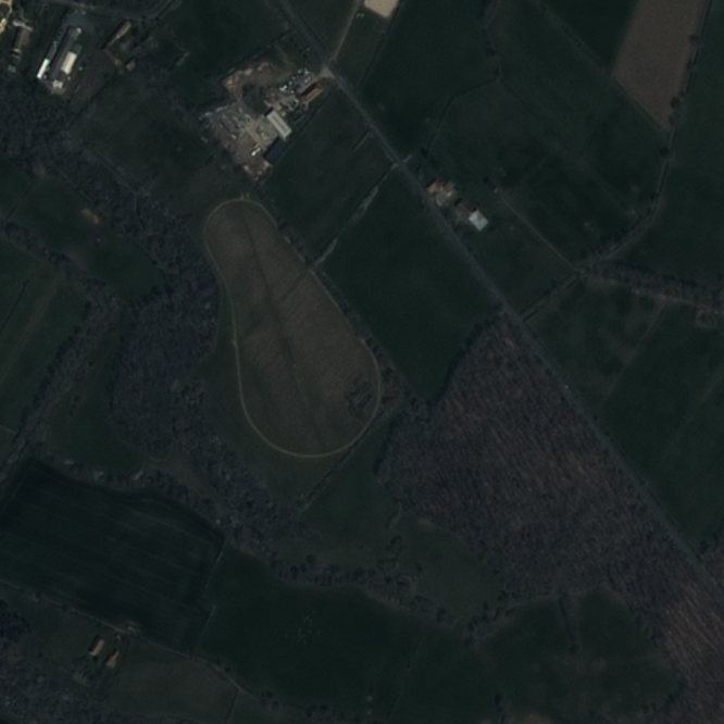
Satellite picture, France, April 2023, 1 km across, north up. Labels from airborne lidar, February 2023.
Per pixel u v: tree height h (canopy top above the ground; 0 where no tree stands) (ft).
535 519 81
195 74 0
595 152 0
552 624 0
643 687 0
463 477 76
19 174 0
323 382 0
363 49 0
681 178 0
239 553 0
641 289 53
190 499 73
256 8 0
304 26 0
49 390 64
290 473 0
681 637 65
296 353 0
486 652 0
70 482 0
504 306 35
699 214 0
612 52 0
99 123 0
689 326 0
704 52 0
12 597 0
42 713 45
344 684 0
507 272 0
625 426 0
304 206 0
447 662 0
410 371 0
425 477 80
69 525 0
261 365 0
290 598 0
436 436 69
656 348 0
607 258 54
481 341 64
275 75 0
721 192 0
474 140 0
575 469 78
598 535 69
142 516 0
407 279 0
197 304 70
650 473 0
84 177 19
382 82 0
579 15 0
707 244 0
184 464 0
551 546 68
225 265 0
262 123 0
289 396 0
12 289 0
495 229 0
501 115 0
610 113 0
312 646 0
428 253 0
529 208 0
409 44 0
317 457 0
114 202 26
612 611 0
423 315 0
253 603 0
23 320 0
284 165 0
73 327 0
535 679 0
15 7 24
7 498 0
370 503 0
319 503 0
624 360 0
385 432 0
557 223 0
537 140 0
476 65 0
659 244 0
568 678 0
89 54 0
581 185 0
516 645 0
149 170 0
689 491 0
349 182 0
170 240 41
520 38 0
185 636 0
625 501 49
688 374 0
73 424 0
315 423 0
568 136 0
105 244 0
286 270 0
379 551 0
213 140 41
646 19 0
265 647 0
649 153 0
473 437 71
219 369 0
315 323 0
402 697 0
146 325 70
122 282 0
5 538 0
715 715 67
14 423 0
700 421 0
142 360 67
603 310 0
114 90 0
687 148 0
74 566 0
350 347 0
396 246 0
